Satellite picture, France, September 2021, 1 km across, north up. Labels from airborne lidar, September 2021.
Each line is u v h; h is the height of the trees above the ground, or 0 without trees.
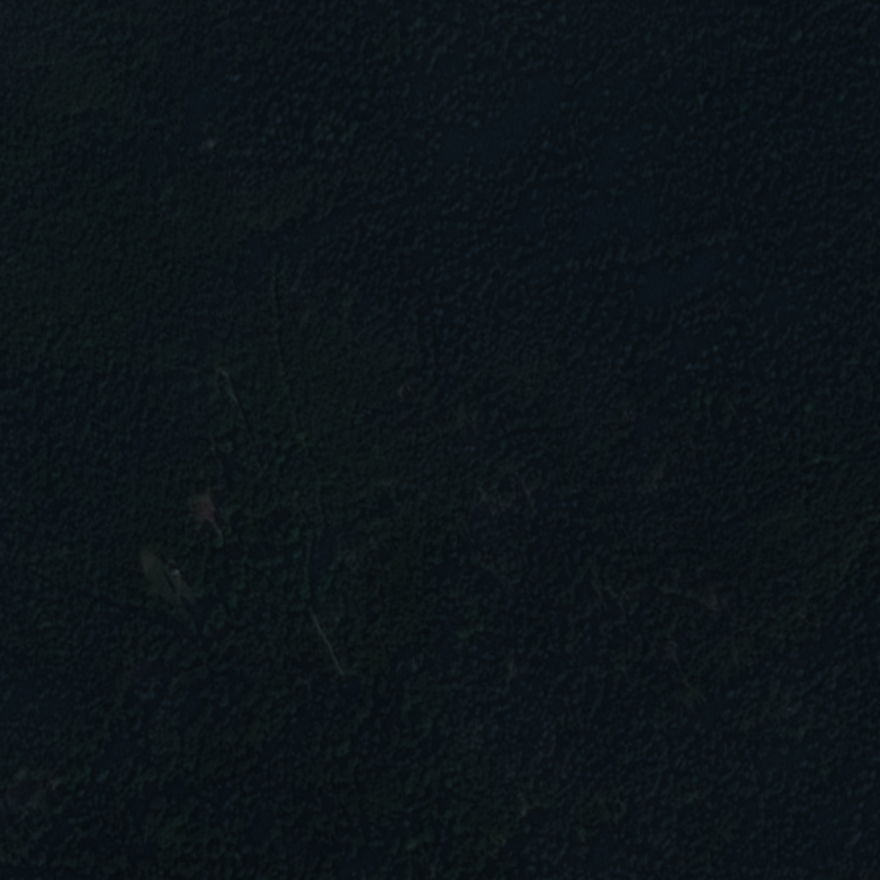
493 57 29
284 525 25
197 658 26
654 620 23
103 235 23
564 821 33
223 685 24
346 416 22
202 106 11
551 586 11
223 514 24
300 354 13
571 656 10
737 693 35
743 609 13
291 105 25
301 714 14
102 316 24
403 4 22
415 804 18
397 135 22
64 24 25
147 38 27
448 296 26
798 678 29
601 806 8
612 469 23
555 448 26
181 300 27
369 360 23
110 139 26
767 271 15
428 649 7
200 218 18
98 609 25
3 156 31
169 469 20
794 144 25
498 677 31
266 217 11
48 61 19
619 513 21
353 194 28
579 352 29
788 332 22
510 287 27
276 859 28
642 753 32
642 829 19
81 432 33
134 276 20
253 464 23
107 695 38
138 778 22
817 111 23
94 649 22
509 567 33
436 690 26
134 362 27
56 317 22
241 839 8
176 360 21
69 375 26
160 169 21
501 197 27
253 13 15
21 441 30
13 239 23
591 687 11
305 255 29
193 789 8
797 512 17
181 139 26
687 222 28
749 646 14
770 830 18
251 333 16
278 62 22
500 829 20
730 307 27
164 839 23
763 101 22
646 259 25
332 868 7
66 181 24
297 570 23
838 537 25
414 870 7
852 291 23
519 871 16
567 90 9
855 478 16
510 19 30
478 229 24
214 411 24
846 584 17
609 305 34
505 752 30
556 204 24
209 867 9
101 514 18
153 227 26
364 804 20
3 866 0
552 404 28
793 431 11
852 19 19
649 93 14
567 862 20
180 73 17
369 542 30
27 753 26
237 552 11
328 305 11
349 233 29
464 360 27
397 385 15
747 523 16
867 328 15
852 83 21
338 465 21
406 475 22
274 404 25
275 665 24
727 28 22
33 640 34
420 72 13
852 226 27
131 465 18
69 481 30
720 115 25
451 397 25
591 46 30
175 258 23
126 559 30
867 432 20
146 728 27
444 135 11
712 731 19
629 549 25
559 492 27
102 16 26
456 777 28
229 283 32
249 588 18
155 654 22
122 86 20
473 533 8
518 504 8
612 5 26
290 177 22
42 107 21
